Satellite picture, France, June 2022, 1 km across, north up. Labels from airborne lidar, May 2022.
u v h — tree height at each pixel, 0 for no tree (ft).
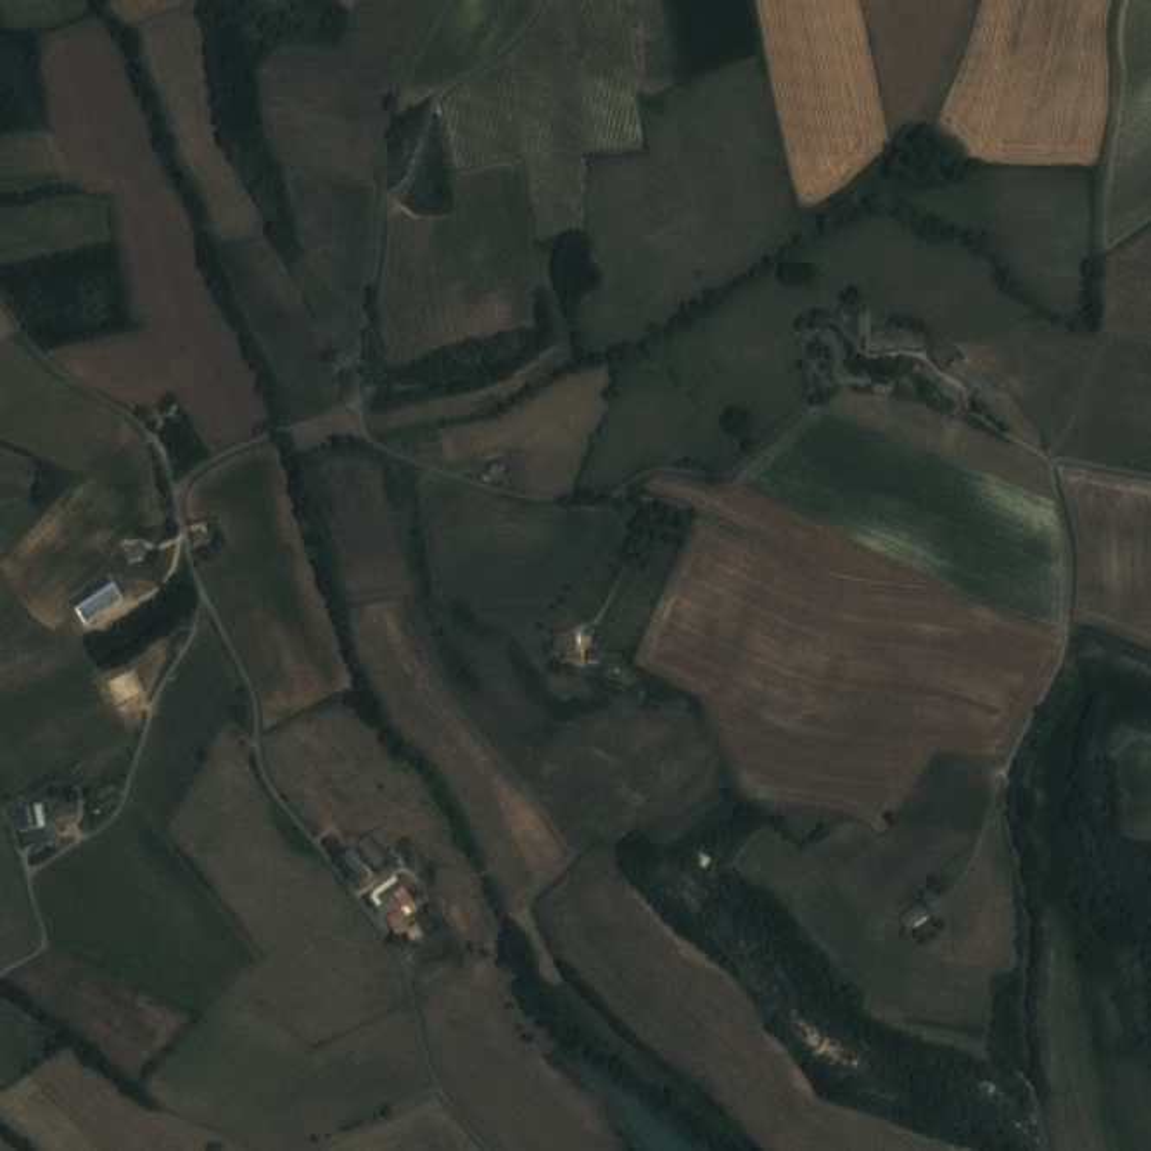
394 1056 0
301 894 0
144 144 0
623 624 0
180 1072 0
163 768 0
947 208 0
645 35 0
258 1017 0
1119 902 50
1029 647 0
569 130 0
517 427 0
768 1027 32
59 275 32
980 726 0
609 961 0
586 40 0
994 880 0
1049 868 0
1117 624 0
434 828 0
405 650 0
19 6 0
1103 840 49
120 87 0
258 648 0
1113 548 0
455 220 0
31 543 0
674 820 0
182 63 0
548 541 0
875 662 0
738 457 0
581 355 43
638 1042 44
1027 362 0
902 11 0
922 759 0
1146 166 0
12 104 44
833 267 0
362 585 0
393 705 0
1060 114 0
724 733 0
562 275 62
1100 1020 0
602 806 0
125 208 0
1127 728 0
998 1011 30
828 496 0
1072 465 0
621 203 0
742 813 46
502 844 0
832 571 0
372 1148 0
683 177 0
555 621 0
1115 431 0
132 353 0
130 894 0
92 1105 0
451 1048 0
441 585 0
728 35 0
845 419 0
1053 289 0
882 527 0
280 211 25
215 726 0
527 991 72
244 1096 0
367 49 0
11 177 0
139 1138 0
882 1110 20
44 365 0
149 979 0
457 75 0
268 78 0
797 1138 0
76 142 0
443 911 0
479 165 0
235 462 0
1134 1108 0
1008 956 0
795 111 0
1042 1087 28
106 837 0
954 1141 27
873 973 0
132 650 46
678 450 0
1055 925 0
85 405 0
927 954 0
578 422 0
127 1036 0
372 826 0
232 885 0
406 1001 0
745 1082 0
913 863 0
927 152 70
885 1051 19
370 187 0
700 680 0
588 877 0
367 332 23
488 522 0
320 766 0
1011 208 0
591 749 0
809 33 0
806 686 0
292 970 0
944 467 0
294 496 37
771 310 0
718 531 0
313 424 0
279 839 0
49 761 0
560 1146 0
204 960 0
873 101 0
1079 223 0
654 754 0
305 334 0
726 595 0
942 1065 22
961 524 0
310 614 0
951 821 0
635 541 33
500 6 0
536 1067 0
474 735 0
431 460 0
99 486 0
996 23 0
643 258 0
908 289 0
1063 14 0
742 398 0
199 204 41
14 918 0
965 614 0
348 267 0
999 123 0
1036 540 0
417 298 0
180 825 0
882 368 54
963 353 0
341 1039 0
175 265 0
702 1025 0
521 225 0
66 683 0
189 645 0
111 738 0
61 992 0
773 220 0
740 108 0
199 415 0
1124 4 0
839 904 0
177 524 32
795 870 0
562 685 0
